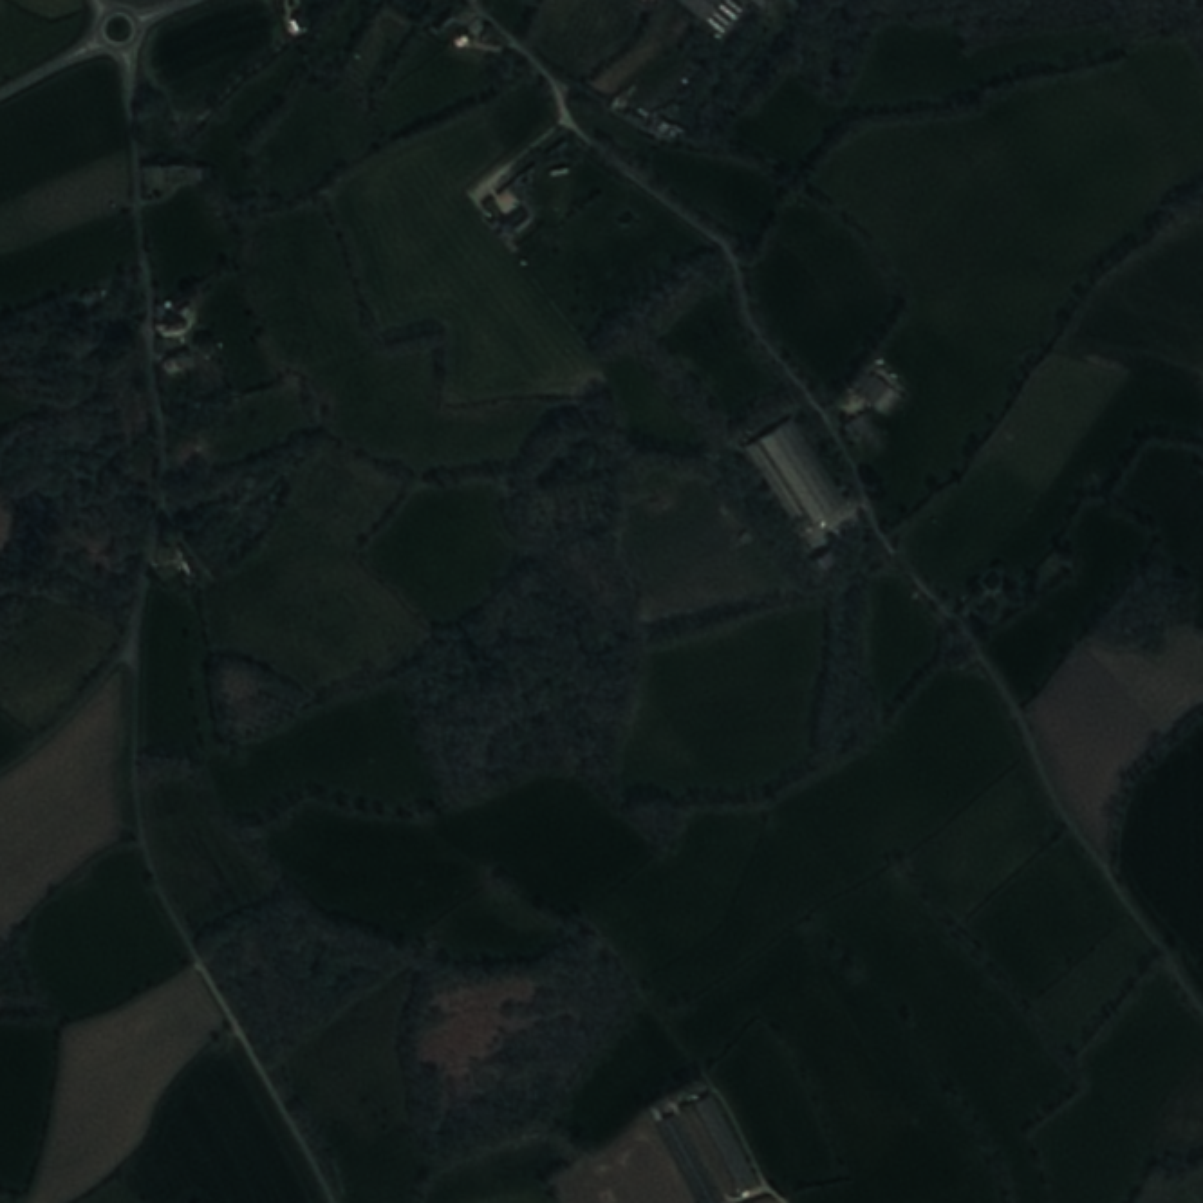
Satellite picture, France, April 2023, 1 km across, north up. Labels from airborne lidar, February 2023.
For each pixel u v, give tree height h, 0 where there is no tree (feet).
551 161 18
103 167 0
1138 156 0
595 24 0
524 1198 0
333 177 29
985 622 29
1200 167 0
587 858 0
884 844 0
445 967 38
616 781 27
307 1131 34
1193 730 35
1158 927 0
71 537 50
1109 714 0
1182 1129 0
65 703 0
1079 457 0
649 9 28
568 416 42
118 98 0
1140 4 47
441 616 0
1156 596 68
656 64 0
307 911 56
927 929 0
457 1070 0
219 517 29
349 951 56
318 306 0
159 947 0
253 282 0
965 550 0
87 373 38
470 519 0
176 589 24
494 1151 44
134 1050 0
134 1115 0
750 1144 0
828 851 0
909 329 0
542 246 0
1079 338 0
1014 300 0
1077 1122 0
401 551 0
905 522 38
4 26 0
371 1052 0
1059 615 0
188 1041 0
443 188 0
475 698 61
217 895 0
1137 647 31
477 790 80
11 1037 0
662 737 0
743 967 0
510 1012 24
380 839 0
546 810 0
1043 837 0
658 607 0
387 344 37
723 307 0
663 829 58
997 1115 0
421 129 28
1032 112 0
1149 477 0
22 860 0
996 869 0
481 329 0
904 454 0
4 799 0
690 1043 0
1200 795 0
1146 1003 0
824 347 0
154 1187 0
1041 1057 0
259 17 0
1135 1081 0
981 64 0
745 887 0
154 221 0
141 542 42
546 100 25
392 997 0
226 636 0
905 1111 0
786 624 0
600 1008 53
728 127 48
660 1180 0
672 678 0
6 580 28
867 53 30
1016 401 43
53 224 0
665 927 0
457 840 0
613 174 34
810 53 25
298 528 0
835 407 43
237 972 30
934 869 0
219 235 0
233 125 0
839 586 51
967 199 0
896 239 0
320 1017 40
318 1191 0
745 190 0
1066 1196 0
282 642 0
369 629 0
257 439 0
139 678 0
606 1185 0
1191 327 0
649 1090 0
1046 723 0
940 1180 0
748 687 0
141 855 0
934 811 0
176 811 0
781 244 0
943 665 23
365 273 0
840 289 0
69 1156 0
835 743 46
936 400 0
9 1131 0
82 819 0
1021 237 0
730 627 43
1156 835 0
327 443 33
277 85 0
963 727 0
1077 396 0
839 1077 0
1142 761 20
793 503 0
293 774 0
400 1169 0
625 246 0
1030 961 0
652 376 43
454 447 0
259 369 0
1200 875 0
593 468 28
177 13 0
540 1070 38
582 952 71
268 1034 36
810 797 0
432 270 0
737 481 41
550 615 53
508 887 39
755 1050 0
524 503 72
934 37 0
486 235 0
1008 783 0
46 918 0
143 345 0
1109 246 0
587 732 44
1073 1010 0
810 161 22
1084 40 0
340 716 0
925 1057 0
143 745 0
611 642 58
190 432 28
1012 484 0
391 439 0
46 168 0
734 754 0
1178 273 0
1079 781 0
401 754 0
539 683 35
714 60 24
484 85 0
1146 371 0
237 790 0
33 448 43
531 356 0
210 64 0
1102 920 0
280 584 0
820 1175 0
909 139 0
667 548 0
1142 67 0
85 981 0
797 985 0
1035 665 0
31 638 0
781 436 0
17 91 0
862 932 0
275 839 0
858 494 43
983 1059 0
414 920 0
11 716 0
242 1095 0
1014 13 32
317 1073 0
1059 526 0
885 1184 0
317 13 32
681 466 62
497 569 0
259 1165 0
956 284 0
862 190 0
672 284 61
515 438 0
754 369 0
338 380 0
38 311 31
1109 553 0
